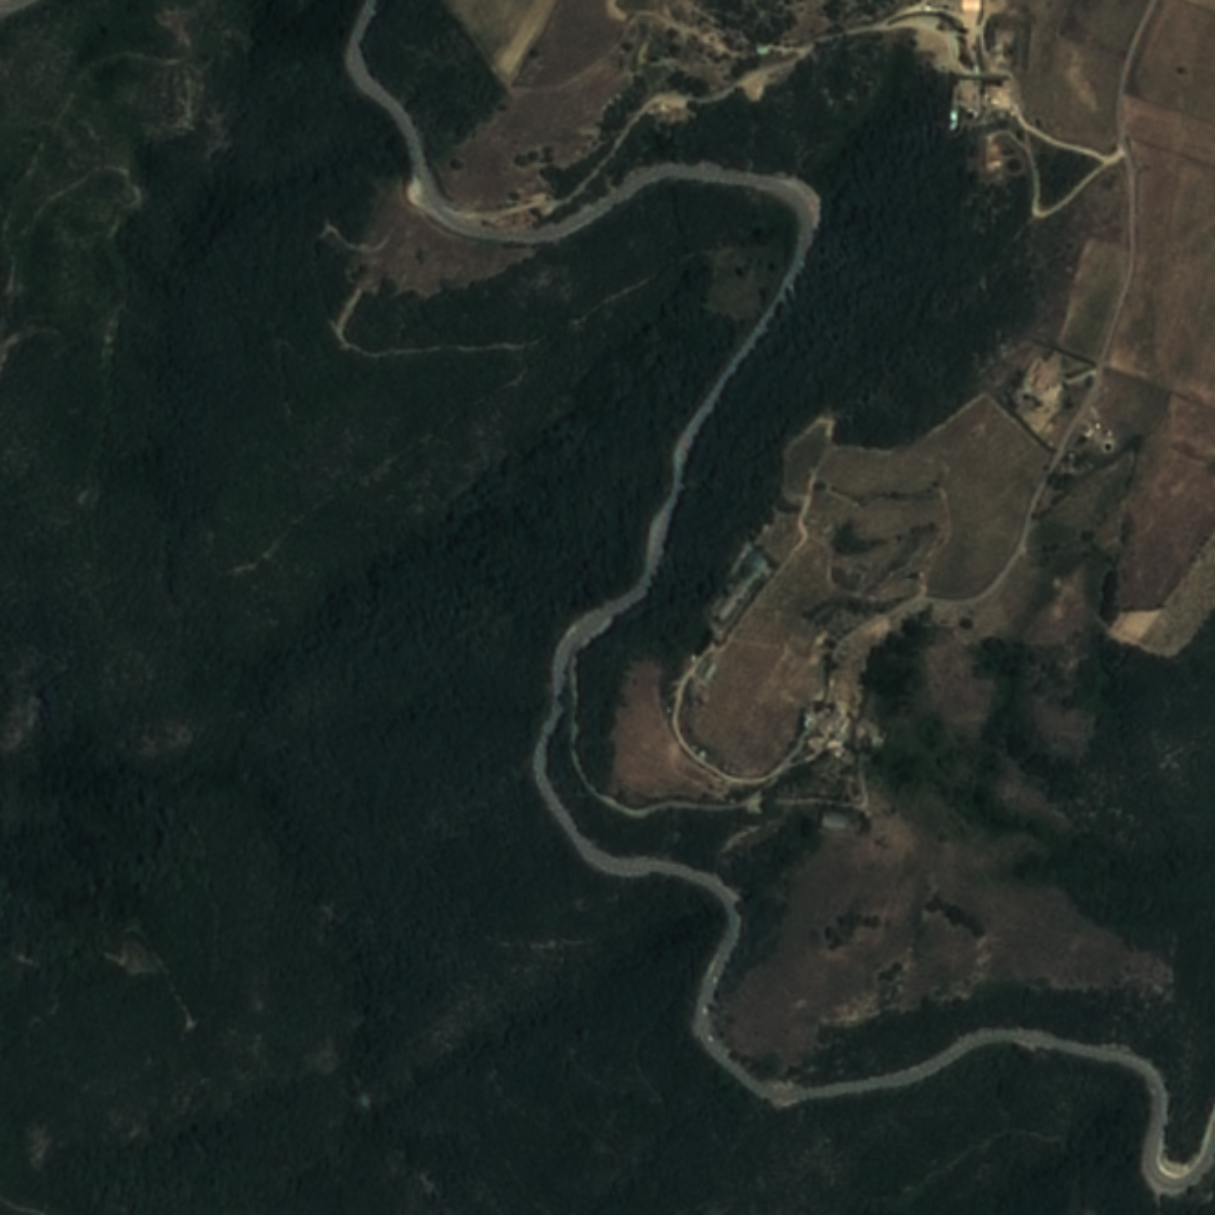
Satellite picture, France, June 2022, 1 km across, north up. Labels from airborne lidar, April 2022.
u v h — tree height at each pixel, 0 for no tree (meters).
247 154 6
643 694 0
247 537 8
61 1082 7
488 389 8
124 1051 8
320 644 9
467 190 0
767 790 7
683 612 8
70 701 9
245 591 6
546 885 8
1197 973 5
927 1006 9
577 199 6
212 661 10
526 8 0
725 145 7
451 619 11
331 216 7
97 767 12
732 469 10
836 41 7
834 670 7
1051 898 0
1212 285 0
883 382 8
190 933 7
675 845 7
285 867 11
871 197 12
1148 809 7
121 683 6
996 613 0
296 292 8
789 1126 7
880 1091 8
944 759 8
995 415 0
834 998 0
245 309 6
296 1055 6
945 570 0
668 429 8
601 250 8
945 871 0
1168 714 6
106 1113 7
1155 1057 8
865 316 8
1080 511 0
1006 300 6
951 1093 8
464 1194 6
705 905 14
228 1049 5
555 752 6
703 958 9
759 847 8
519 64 0
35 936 7
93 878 9
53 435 11
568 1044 6
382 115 11
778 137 6
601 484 6
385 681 8
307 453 7
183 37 0
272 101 10
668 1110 9
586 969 11
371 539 8
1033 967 0
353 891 6
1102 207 0
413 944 9
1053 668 7
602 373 6
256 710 8
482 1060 7
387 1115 7
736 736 0
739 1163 8
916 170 7
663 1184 7
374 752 9
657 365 9
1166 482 0
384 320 7
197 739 6
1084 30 0
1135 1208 6
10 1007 6
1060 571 0
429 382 5
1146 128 0
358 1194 9
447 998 6
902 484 0
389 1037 9
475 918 7
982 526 0
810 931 0
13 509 8
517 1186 6
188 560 7
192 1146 12
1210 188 0
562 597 8
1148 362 0
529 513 14
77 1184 8
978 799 8
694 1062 8
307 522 6
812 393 6
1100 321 0
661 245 9
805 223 0
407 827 7
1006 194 7
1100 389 0
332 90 7
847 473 0
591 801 7
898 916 0
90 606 8
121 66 5
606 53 0
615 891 7
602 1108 7
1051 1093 6
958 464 0
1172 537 0
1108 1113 13
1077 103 0
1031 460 0
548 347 8
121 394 9
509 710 8
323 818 9
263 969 8
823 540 0
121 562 7
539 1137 6
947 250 9
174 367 10
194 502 7
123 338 9
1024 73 0
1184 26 0
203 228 18
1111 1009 7
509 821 6
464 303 7
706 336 7
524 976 6
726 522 8
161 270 8
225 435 9
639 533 8
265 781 8
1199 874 6
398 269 0
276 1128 7
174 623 7
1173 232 0
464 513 12
